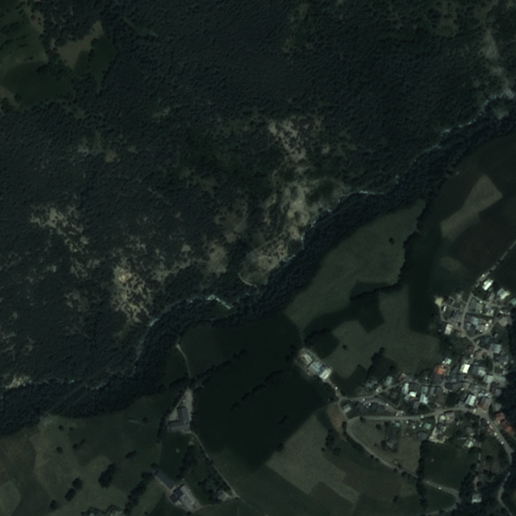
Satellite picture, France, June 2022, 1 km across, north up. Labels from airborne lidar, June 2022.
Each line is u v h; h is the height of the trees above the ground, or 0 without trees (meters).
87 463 0
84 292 6
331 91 10
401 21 7
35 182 17
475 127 13
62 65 11
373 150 14
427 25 5
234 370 0
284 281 31
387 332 0
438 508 0
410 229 0
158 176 23
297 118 7
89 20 22
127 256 7
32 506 0
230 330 16
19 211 18
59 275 12
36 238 15
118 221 7
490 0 9
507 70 16
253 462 0
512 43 8
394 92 25
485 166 0
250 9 15
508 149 0
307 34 6
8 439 0
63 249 10
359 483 0
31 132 16
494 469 0
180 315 19
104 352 14
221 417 0
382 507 0
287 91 16
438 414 0
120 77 18
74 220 10
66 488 0
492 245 0
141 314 8
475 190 0
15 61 0
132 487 0
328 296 0
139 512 0
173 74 21
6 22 0
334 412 0
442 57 20
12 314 6
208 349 0
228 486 13
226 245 12
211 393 0
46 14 18
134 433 0
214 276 14
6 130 17
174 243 8
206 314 18
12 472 0
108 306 9
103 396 19
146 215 6
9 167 24
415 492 0
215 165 12
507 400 25
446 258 0
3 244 18
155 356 20
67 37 15
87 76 9
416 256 0
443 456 0
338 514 0
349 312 0
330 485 0
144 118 19
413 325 0
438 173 19
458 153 23
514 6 7
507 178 0
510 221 0
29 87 0
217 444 0
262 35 17
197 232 9
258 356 0
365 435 0
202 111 10
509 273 0
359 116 21
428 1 21
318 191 10
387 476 0
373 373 12
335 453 15
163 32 18
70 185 17
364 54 21
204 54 21
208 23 21
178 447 0
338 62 25
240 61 18
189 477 0
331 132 13
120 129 14
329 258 0
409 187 26
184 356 0
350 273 0
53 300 14
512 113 15
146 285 9
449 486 0
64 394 21
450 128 8
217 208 8
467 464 0
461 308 0
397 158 16
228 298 22
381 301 0
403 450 0
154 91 11
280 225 8
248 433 0
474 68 14
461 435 9
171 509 0
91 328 11
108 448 0
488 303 0
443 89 18
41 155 13
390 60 27
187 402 0
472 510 6
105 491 0
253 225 7
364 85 27
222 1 16
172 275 10
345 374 0
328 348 0
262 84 20
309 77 19
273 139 10
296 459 0
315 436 0
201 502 0
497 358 0
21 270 10
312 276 16
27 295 8
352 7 15
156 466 13
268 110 20
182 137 13
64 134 24
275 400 0
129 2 22
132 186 13
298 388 0
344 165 13
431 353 0
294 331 0
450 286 0
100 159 9
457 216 0
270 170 6
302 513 0
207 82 22
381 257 0
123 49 21
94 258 8
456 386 0
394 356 0
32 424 11
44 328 15
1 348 10
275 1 21
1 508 0
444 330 0
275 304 24
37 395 20
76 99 10
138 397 14
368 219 15
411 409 7
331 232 25
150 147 13
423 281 0
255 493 0
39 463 0
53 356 18
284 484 0
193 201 19
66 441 0
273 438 0
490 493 13
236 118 17
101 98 23
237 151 15
